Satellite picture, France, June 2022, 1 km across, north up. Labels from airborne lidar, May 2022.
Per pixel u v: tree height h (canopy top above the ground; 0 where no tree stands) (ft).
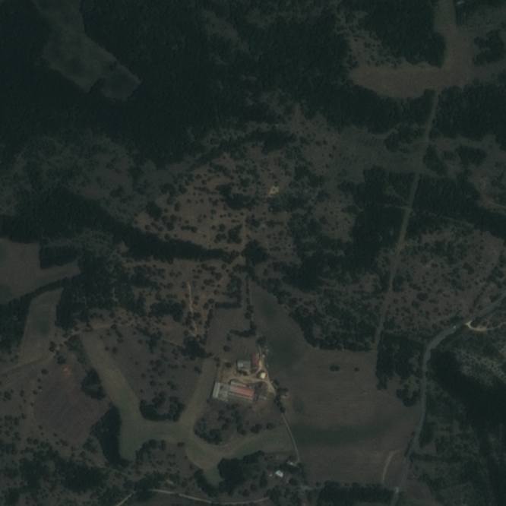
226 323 0
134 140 34
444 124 22
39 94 52
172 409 27
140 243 42
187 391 0
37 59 43
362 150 0
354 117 39
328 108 42
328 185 0
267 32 27
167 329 0
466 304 0
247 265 23
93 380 24
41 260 21
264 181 0
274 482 0
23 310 18
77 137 22
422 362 25
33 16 42
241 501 0
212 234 0
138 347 0
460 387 32
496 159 0
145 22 30
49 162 23
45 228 29
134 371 0
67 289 22
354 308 22
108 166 27
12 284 0
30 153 22
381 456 0
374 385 0
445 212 31
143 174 23
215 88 23
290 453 0
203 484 39
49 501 0
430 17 41
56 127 33
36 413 0
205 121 45
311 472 0
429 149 24
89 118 35
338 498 31
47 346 0
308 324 36
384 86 0
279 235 25
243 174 21
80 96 45
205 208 0
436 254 21
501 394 35
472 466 23
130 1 37
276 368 0
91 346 0
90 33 44
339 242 23
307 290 29
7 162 26
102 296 20
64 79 52
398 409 0
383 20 44
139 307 35
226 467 48
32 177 35
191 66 35
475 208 26
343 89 33
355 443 0
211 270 25
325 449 0
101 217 26
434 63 34
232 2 26
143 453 21
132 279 26
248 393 0
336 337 26
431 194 34
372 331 30
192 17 18
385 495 28
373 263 35
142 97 49
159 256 37
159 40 35
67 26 0
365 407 0
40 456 28
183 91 42
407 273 20
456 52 0
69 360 0
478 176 0
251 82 33
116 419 42
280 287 25
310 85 27
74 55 0
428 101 27
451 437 20
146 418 35
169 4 21
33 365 0
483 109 32
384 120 48
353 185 28
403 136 26
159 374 23
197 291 0
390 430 0
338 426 0
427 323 17
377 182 31
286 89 29
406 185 22
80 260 28
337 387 0
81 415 0
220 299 0
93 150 24
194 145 33
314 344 38
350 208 29
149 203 23
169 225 24
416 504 0
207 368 0
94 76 0
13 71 49
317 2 19
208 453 0
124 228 27
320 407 0
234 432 0
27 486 25
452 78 0
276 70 32
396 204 27
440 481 18
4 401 21
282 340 0
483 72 0
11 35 46
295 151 24
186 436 0
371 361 0
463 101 27
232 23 20
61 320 27
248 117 27
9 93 53
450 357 27
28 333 0
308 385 0
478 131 36
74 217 37
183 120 45
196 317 22
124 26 35
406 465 0
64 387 0
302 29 29
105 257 18
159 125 35
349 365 0
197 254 28
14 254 0
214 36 33
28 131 32
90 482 33
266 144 28
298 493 24
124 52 44
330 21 36
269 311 0
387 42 33
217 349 0
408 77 0
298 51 45
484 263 0
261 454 31
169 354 0
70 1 0
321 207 0
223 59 38
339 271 18
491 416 30
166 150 29
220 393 0
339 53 30
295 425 0
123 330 0
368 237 38
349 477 0
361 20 18
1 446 24
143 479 21
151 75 46
